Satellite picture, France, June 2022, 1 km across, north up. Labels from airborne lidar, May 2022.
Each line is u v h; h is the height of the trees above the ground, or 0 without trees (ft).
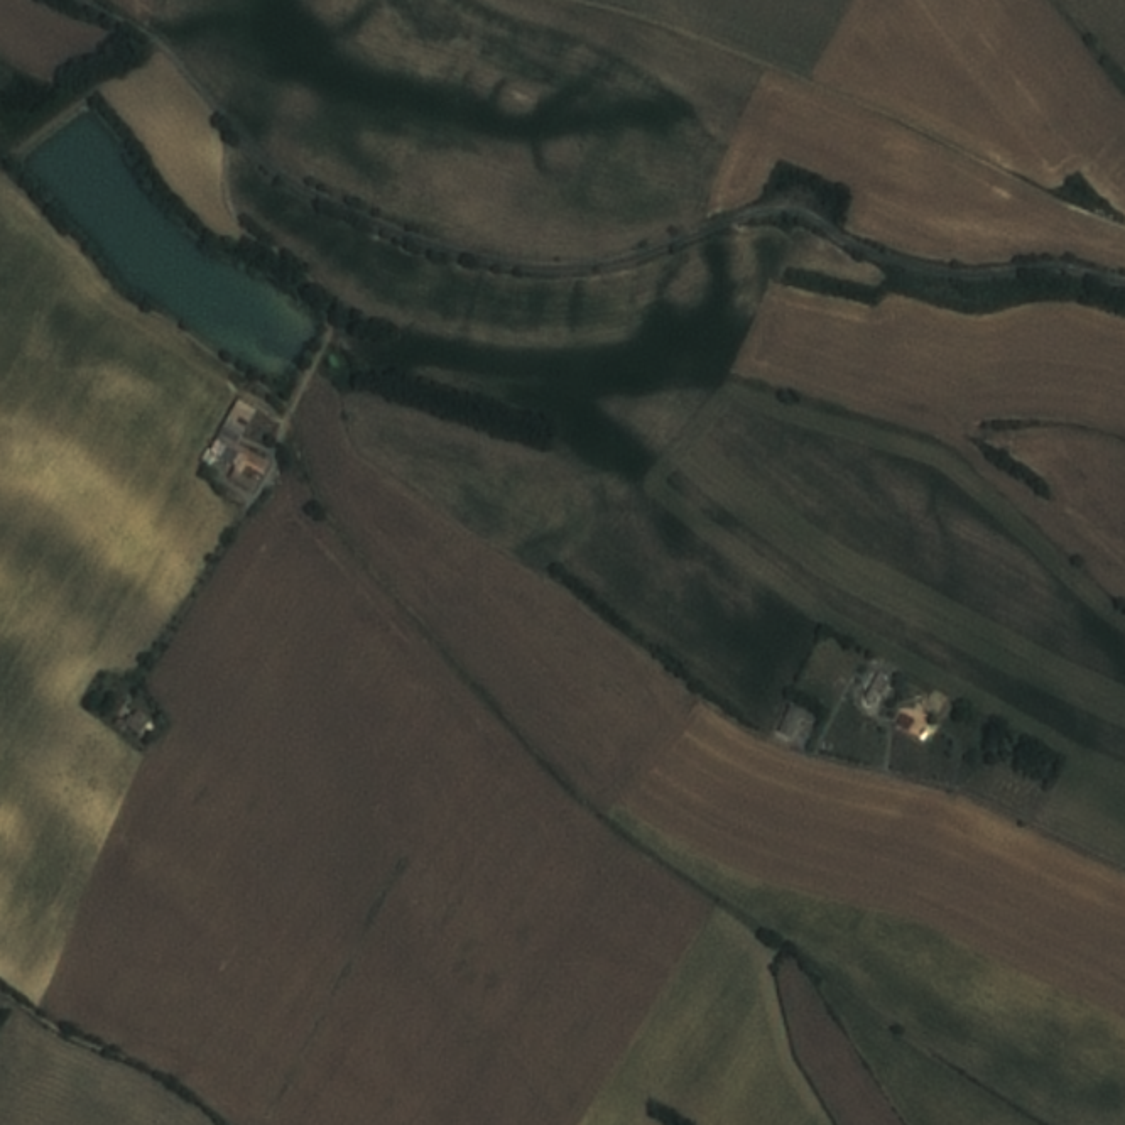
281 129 0
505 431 48
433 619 0
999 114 0
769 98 0
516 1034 0
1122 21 0
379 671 0
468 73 0
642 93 0
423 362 0
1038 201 0
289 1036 0
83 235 20
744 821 0
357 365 37
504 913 0
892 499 0
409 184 0
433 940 0
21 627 0
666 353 0
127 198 0
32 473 0
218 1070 0
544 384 0
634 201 0
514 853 0
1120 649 0
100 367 0
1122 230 0
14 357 0
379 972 0
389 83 0
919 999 0
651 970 0
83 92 24
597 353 0
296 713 0
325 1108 0
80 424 0
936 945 0
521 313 0
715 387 0
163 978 0
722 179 0
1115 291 29
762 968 0
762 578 0
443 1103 0
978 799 0
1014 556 0
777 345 0
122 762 0
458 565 0
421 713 0
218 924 0
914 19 0
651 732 0
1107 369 0
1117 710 0
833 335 0
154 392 0
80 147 0
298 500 0
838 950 0
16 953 0
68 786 0
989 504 0
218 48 0
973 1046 0
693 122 0
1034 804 0
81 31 0
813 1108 0
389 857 0
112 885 0
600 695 0
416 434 0
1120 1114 0
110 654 0
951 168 0
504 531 0
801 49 0
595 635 0
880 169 0
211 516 0
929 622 0
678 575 0
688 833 0
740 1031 0
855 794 0
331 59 0
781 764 0
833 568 0
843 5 0
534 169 0
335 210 48
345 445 0
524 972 0
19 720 0
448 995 0
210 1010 0
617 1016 0
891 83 0
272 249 31
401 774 0
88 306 0
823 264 0
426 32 0
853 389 0
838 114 0
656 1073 0
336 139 0
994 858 0
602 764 0
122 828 0
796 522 0
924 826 0
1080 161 0
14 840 0
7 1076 0
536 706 0
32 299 0
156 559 0
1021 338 0
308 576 0
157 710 30
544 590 0
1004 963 0
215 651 0
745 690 0
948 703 0
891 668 0
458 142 0
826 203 27
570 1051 0
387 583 0
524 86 0
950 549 0
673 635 0
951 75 0
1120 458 0
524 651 0
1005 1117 0
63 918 0
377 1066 0
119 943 0
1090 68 0
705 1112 0
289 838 0
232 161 0
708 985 0
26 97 28
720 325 0
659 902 0
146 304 36
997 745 55
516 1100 0
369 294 0
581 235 0
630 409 0
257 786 0
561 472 0
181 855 0
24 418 0
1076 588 0
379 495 0
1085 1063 0
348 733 0
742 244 0
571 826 0
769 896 0
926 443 0
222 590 0
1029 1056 0
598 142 0
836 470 0
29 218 0
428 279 0
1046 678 0
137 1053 0
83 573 0
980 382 0
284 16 0
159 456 0
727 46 0
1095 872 0
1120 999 0
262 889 0
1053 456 0
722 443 0
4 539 0
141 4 0
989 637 0
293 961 0
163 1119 0
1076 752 0
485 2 0
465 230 0
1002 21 0
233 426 0
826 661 0
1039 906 0
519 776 0
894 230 0
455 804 0
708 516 0
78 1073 0
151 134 0
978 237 0
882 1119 0
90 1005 0
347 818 0
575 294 0
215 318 0
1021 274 37
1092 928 0
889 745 0
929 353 0
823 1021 0
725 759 0
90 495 0
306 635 0
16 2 0
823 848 0
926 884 0
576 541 0
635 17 0
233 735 0
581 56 0
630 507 0
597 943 0
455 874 0
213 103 0
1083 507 0
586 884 0
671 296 0
